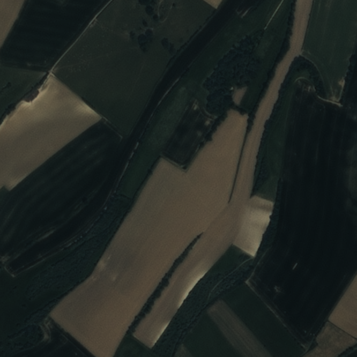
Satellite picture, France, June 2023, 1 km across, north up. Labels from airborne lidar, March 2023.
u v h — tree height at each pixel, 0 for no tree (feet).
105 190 0
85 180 0
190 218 0
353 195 0
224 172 0
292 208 0
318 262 0
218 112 53
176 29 0
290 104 0
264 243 46
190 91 0
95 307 0
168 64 24
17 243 0
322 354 0
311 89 0
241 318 0
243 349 0
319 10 0
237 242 0
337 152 0
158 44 0
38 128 0
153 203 0
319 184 0
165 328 0
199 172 0
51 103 0
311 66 58
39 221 0
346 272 0
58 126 0
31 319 24
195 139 0
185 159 0
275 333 0
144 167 0
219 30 0
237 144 0
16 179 0
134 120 0
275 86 0
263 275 0
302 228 0
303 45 0
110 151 0
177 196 0
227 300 0
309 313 0
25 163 0
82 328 0
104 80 0
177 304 0
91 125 0
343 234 0
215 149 0
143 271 0
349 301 0
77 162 0
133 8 0
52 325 0
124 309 0
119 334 0
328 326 0
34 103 0
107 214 29
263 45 0
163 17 0
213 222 0
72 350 0
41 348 0
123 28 0
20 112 0
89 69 0
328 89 0
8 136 0
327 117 0
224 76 57
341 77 0
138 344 0
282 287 0
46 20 0
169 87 0
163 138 0
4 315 0
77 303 0
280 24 0
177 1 0
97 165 0
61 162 0
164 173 0
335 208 0
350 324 0
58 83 0
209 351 0
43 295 0
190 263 0
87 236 30
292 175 0
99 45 0
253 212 0
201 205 0
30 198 0
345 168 0
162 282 28
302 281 0
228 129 0
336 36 0
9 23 0
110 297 0
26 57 0
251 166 0
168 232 0
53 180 0
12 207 0
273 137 0
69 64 0
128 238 0
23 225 0
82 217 0
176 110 0
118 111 0
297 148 0
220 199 0
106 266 0
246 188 0
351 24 0
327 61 0
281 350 0
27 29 0
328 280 0
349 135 0
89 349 0
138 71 0
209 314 0
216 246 0
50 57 0
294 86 0
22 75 0
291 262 0
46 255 0
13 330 0
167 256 0
